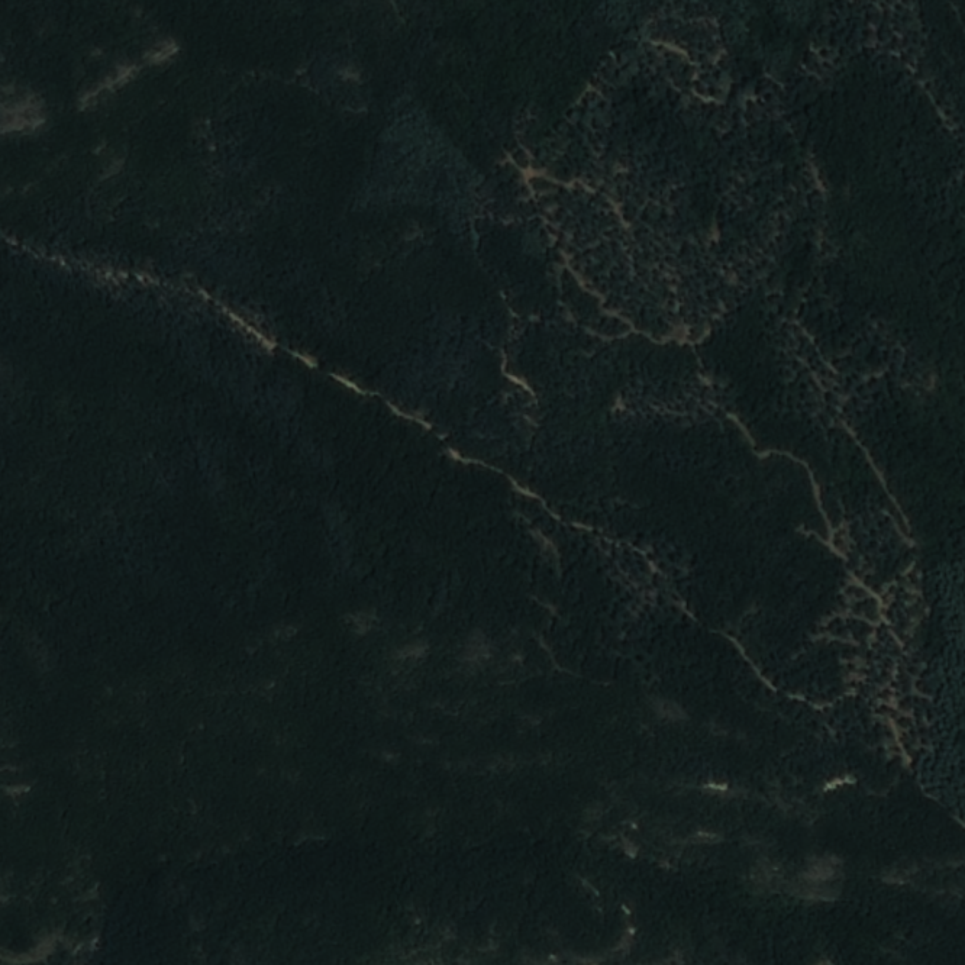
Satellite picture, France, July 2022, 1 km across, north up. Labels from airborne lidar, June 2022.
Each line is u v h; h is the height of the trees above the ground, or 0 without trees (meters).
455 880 9
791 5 23
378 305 11
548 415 12
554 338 9
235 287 17
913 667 16
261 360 20
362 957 8
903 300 7
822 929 11
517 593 12
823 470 10
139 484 8
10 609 6
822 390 17
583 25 9
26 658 11
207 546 13
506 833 11
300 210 9
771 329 20
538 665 8
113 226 9
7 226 13
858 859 8
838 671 9
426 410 8
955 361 10
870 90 12
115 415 10
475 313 13
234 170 9
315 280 12
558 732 11
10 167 9
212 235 10
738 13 19
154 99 9
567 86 10
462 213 13
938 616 9
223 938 9
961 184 18
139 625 11
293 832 9
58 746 14
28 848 10
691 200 13
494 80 9
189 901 7
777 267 19
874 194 6
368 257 10
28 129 6
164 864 8
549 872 9
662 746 12
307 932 9
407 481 15
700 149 29
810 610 9
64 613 12
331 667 12
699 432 13
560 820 10
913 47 18
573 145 10
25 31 7
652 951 6
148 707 11
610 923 9
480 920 9
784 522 6
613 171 21
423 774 8
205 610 13
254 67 7
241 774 9
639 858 9
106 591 12
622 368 14
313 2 9
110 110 6
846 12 23
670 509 12
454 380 16
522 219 9
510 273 11
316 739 12
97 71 7
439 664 9
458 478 16
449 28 7
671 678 12
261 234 9
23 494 10
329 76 10
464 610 7
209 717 9
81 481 11
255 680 11
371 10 5
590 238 19
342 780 9
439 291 10
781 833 10
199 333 19
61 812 9
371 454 19
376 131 13
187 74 9
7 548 15
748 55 17
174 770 12
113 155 6
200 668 16
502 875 13
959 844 9
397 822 11
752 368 18
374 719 7
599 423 8
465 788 9
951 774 16
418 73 12
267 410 22
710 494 13
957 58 8
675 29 14
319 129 9
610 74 22
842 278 9
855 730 9
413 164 15
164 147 12
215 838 7
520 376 11
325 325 19
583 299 7
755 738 7
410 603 12
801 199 19
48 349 11
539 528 15
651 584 20
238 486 8
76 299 21
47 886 8
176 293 23
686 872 9
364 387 12
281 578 11
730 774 12
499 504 12
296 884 11
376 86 7
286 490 13
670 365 14
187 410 11
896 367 16
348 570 17
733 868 6
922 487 8
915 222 14
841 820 9
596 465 8
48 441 10
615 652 8
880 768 10
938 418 11
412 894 11
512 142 13
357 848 15
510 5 11
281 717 11
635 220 22
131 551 13
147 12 6
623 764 8
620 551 24
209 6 9
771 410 13
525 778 7
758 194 20
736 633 11
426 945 6
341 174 9
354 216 8
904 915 10
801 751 9
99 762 14
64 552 13
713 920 9
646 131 12
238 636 10
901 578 13
